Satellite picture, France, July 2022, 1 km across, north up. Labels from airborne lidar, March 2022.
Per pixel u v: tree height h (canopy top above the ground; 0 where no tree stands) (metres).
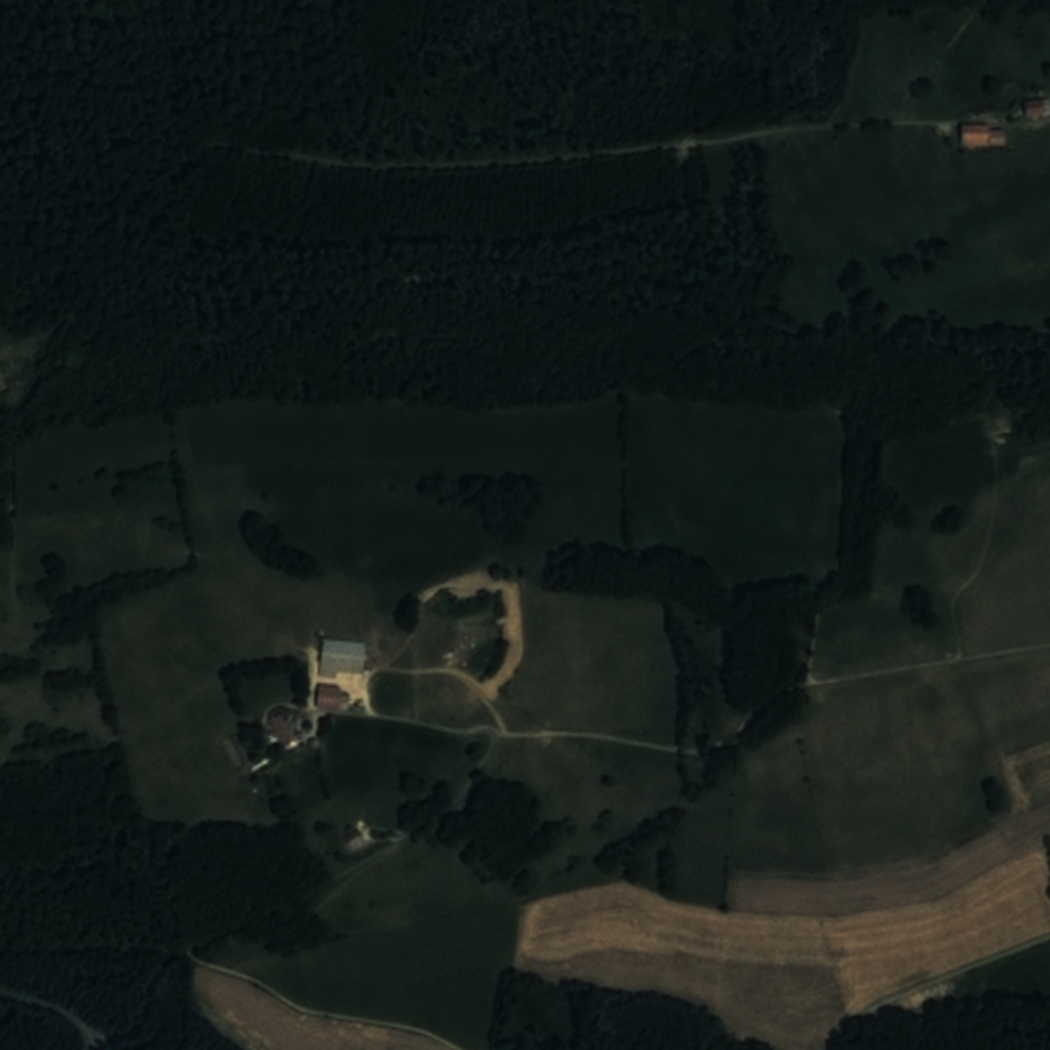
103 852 22
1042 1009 29
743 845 0
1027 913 0
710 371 24
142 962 20
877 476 19
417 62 12
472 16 19
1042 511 0
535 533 0
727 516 0
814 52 26
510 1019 19
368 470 0
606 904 0
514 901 0
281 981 0
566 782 0
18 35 27
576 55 22
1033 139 0
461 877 0
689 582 26
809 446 0
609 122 9
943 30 0
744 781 0
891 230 0
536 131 23
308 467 0
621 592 21
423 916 0
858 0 21
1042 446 0
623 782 0
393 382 11
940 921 0
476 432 0
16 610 0
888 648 0
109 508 0
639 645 0
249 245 29
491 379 19
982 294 0
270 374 19
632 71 26
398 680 0
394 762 0
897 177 0
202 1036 27
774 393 26
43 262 25
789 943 0
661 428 0
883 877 0
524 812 21
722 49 26
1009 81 0
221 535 0
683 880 0
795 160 0
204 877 21
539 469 0
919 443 0
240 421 0
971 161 0
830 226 0
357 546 0
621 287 26
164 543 0
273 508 0
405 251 26
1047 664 0
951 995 0
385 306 18
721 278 29
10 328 12
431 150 23
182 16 24
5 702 0
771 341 18
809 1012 0
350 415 0
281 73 25
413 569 0
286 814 16
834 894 0
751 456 0
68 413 19
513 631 0
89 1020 21
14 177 28
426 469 0
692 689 24
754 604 27
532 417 0
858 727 0
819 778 0
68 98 23
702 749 21
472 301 23
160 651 0
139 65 25
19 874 24
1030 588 0
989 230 0
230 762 0
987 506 0
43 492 0
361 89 24
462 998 0
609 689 0
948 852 0
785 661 27
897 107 0
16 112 25
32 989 18
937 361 23
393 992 0
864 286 15
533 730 0
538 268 26
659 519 0
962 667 0
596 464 0
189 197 9
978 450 0
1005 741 0
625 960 0
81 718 0
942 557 0
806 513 0
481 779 13
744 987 0
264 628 0
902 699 0
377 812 0
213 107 25
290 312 24
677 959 0
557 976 0
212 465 0
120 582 9
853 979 0
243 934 23
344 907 0
